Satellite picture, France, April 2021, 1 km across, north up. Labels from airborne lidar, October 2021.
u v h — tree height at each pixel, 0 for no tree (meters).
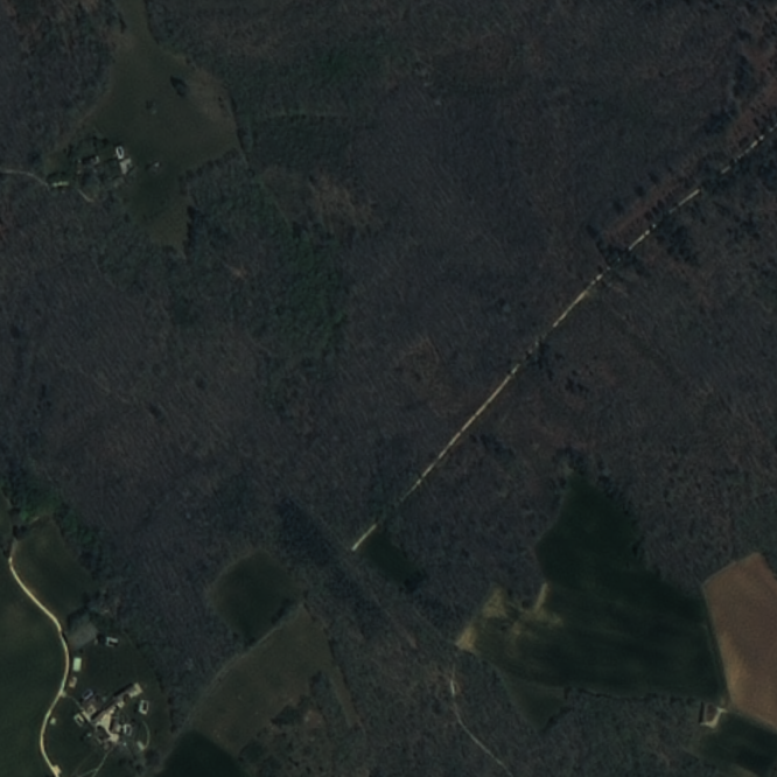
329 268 14
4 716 0
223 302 21
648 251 7
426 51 13
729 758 0
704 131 10
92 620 13
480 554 11
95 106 12
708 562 20
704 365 15
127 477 13
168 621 26
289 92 15
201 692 23
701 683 0
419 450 12
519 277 8
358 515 18
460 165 12
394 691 17
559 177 6
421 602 23
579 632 0
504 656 0
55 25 14
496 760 18
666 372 8
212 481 25
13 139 17
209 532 20
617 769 18
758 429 18
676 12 14
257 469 15
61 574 0
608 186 15
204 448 18
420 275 12
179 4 0
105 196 20
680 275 8
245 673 0
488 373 15
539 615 0
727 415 7
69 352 16
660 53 14
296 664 0
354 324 15
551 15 14
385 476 19
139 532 11
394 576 0
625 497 12
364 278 15
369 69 17
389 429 14
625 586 0
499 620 0
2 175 12
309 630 0
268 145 6
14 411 19
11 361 13
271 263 18
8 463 16
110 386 16
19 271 18
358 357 14
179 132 0
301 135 7
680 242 16
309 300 21
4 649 0
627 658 0
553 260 6
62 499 22
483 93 9
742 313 16
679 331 17
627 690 0
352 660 22
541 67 7
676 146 11
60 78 13
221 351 16
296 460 15
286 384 10
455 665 15
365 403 15
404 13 16
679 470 14
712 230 9
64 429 11
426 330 12
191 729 0
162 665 16
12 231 6
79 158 9
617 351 7
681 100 7
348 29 14
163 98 0
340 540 20
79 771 0
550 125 13
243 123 15
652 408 9
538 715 0
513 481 14
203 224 21
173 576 20
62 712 0
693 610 0
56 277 15
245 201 15
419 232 12
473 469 6
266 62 15
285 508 19
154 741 0
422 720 14
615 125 18
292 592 0
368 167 12
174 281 19
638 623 0
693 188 12
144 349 15
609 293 10
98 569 24
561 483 9
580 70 15
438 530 12
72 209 18
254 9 0
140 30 0
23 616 0
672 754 17
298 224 0
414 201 15
